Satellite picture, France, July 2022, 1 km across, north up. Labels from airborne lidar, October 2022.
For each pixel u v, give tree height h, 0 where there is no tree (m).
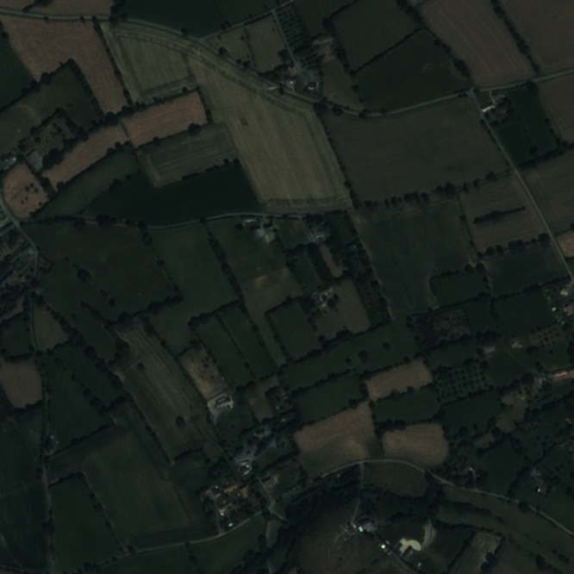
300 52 12
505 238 0
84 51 0
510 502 8
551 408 15
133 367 0
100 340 0
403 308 0
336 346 6
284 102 0
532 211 0
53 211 0
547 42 0
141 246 0
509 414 0
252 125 0
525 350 0
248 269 0
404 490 0
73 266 6
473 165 0
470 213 0
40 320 0
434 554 0
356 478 13
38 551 0
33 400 0
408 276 0
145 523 0
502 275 0
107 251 0
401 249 0
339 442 0
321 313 10
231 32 0
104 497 0
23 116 0
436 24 0
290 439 8
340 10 7
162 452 10
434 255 0
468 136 0
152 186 0
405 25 0
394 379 0
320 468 0
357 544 0
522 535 0
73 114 0
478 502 0
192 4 0
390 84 0
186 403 0
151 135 0
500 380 0
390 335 0
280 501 7
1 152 0
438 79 0
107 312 0
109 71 0
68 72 0
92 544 0
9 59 0
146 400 0
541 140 0
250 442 8
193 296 0
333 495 14
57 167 0
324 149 0
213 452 0
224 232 0
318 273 13
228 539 0
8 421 0
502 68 0
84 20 12
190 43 0
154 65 0
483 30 0
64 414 0
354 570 0
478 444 0
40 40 0
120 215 0
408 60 0
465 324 6
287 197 0
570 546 0
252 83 0
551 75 0
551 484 10
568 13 0
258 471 14
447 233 0
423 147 0
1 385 16
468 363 15
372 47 0
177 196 0
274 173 0
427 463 0
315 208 0
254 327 10
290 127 0
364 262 20
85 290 0
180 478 0
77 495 0
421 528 0
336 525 0
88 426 0
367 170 0
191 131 15
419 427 0
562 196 0
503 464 0
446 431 17
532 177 0
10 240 10
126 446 0
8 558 0
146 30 0
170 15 0
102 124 14
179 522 0
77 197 0
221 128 0
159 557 0
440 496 20
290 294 0
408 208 0
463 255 0
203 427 0
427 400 0
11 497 0
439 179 0
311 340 0
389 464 0
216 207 0
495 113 9
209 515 11
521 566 0
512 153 0
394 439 0
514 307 0
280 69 14
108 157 8
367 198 0
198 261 0
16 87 0
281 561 0
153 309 16
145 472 0
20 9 0
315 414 0
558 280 10
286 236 0
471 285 0
